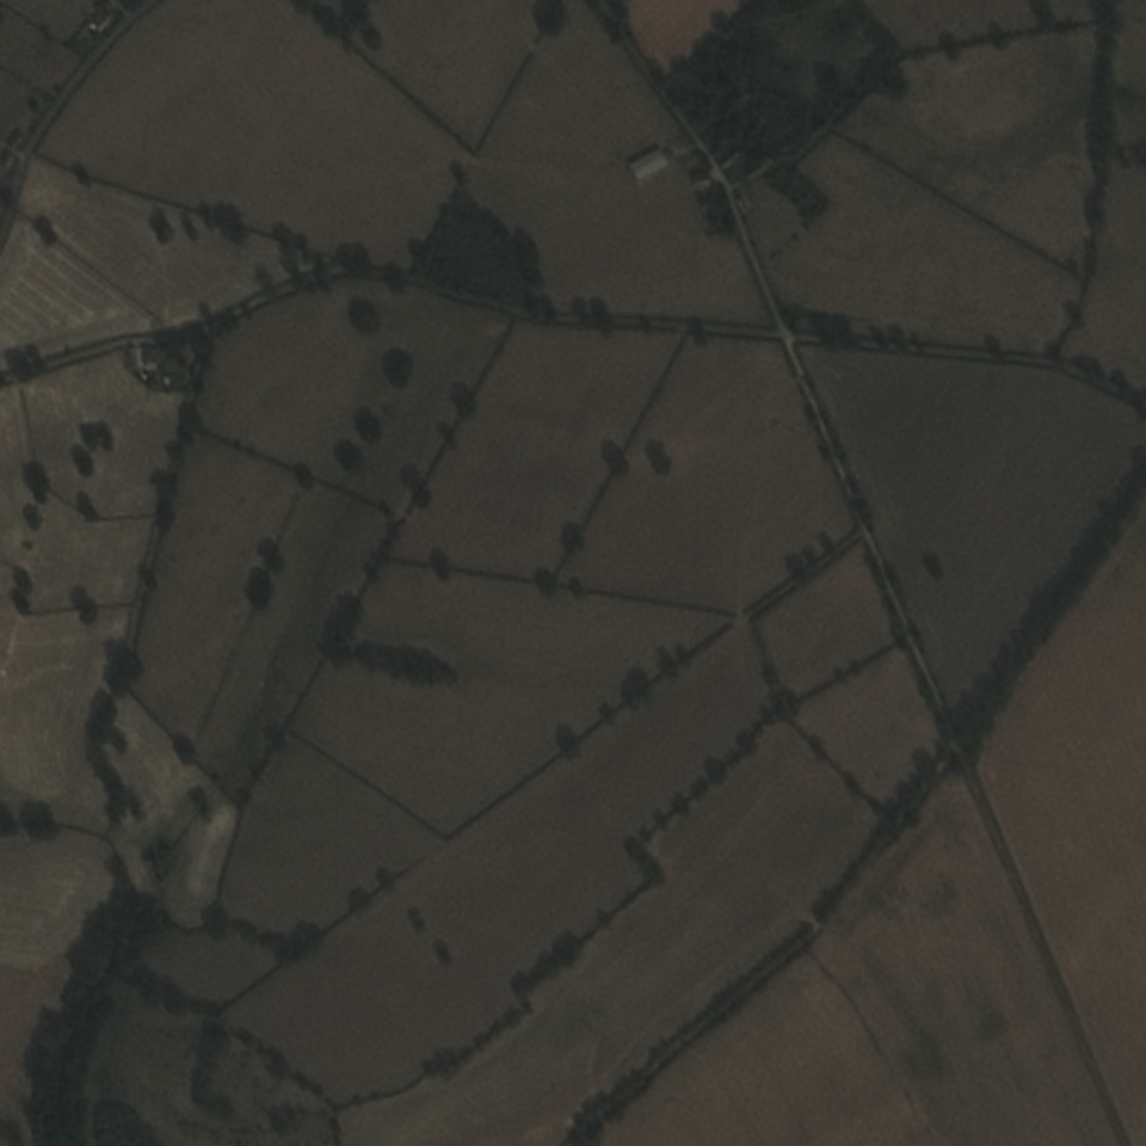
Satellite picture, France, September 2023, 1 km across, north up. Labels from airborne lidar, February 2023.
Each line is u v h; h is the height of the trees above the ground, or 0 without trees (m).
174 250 0
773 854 0
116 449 0
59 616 0
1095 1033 0
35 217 0
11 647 0
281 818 0
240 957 0
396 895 0
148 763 0
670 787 0
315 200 0
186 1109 0
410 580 0
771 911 0
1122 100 0
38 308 0
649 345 0
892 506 0
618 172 0
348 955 0
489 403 0
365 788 0
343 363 0
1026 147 0
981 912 0
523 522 0
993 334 0
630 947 0
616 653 0
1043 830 0
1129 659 0
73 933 0
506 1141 0
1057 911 0
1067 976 0
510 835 0
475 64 0
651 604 0
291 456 0
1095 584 0
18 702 0
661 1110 0
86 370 0
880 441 0
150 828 0
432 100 0
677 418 0
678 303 0
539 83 0
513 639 0
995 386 0
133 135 0
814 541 0
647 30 0
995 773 0
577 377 0
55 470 0
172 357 5
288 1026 0
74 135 0
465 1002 0
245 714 0
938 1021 0
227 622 0
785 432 0
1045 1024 0
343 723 0
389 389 0
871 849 9
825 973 0
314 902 0
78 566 0
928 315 0
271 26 0
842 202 0
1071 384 0
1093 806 0
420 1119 0
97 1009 20
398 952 0
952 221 0
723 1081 0
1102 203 10
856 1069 0
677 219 0
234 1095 0
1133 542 0
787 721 0
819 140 0
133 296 0
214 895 0
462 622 0
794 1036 0
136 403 0
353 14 19
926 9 0
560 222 0
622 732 0
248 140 0
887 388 0
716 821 0
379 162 0
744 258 0
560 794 0
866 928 0
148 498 0
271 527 0
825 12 0
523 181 0
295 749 0
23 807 0
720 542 0
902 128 0
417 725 0
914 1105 0
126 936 19
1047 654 0
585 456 0
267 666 0
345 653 14
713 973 0
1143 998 0
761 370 0
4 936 0
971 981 0
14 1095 0
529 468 0
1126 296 0
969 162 0
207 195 0
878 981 0
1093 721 0
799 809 0
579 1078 0
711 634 0
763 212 0
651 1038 0
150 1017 0
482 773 0
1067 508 0
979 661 0
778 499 0
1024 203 0
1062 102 0
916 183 0
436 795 0
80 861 0
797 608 0
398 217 0
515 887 0
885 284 0
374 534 0
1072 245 0
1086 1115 0
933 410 0
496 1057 0
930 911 0
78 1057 17
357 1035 0
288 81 0
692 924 0
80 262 0
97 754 17
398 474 0
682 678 0
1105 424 0
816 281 0
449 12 0
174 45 0
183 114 0
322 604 0
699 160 6
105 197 0
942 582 0
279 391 0
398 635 0
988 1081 0
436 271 6
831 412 0
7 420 0
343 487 0
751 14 13
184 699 0
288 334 0
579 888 0
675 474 0
